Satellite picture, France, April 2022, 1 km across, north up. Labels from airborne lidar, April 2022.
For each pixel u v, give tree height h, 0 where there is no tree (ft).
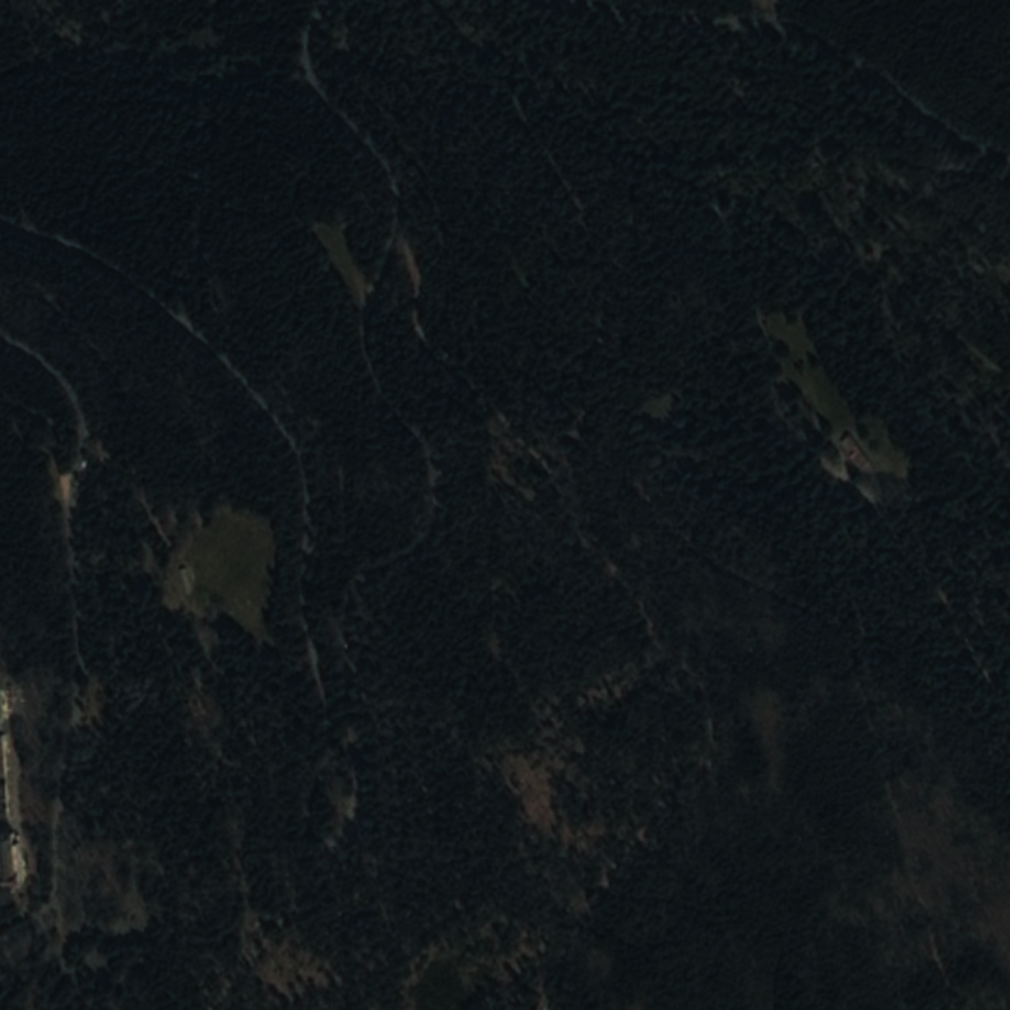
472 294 77
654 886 59
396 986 103
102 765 94
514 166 111
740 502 81
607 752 84
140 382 78
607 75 98
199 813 99
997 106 69
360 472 79
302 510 108
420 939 94
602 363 94
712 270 113
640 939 70
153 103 89
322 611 105
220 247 81
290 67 92
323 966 99
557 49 94
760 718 77
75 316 87
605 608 94
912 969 57
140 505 83
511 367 79
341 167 94
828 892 62
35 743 59
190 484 105
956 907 73
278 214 84
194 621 44
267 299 84
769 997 51
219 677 47
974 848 86
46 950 75
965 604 102
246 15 80
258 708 108
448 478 90
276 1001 91
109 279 76
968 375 127
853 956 71
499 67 109
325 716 102
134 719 86
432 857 83
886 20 94
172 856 104
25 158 84
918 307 89
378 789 116
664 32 94
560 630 89
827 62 108
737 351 106
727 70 105
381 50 89
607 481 92
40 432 73
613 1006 79
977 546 114
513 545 111
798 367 28
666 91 96
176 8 86
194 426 74
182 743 101
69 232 74
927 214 100
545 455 79
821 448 101
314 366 90
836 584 79
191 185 91
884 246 35
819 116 101
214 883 88
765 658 71
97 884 88
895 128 80
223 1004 95
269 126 83
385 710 98
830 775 74
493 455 92
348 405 84
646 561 83
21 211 72
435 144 96
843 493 58
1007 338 108
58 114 74
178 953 83
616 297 83
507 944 101
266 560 0
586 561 91
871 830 72
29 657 96
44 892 50
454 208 84
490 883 108
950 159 92
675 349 74
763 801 68
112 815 107
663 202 101
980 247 98
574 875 80
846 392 83
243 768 100
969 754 74
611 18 106
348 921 98
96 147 78
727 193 19
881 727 67
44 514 74
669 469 62
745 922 74
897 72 55
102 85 89
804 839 60
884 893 64
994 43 77
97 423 90
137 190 85
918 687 82
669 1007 83
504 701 89
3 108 82
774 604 64
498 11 117
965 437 121
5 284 67
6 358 62
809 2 73
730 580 61
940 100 75
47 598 87
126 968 66
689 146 103
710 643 85
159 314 83
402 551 83
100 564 93
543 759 86
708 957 78
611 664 88
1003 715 74
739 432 118
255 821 93
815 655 73
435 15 98
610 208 108
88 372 72
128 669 97
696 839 77
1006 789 69
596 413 84
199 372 68
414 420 88
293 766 104
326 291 89
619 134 116
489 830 99
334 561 98
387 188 74
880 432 0
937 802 79
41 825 61
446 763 98
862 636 51
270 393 86
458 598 76
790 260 78
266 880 110
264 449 89
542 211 88
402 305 82
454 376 79
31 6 61
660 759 89
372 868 102
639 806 73
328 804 113
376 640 101
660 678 64
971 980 81
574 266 100
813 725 67
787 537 98
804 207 94
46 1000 73
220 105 93
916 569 105
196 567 0
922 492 92
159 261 87
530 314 94
